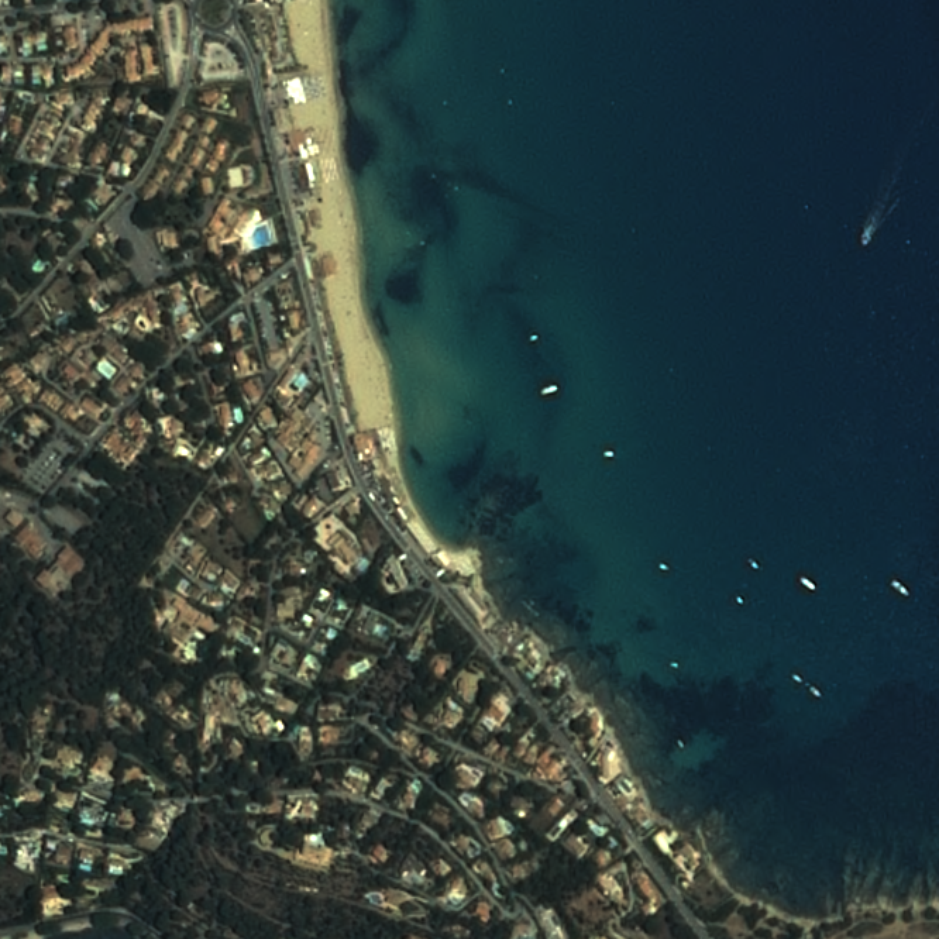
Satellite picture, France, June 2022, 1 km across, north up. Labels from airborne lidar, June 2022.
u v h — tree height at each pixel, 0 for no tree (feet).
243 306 0
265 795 66
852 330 0
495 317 0
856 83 0
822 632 0
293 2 0
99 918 34
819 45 0
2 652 21
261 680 20
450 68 0
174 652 34
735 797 0
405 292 0
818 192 0
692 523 0
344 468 0
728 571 0
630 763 0
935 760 0
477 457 0
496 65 0
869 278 0
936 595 0
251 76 0
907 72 0
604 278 0
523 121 0
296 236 0
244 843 38
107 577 26
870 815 0
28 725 29
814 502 0
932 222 0
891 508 0
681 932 44
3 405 0
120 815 56
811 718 0
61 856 0
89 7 31
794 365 0
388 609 18
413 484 0
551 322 0
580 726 53
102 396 33
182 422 40
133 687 47
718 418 0
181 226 32
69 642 26
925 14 0
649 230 0
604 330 0
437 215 0
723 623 0
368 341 0
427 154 0
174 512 45
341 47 0
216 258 59
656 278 0
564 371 0
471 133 0
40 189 34
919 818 0
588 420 0
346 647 45
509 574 0
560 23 0
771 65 0
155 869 23
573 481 0
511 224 0
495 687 36
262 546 30
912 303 0
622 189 0
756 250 0
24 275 38
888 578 0
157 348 42
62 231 28
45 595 21
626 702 0
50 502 39
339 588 36
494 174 0
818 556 0
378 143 0
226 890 58
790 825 0
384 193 0
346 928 32
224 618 46
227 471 28
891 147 0
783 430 0
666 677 0
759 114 0
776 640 0
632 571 0
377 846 36
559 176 0
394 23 0
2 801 48
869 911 0
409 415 0
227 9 0
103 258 44
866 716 0
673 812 0
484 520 0
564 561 0
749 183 0
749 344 0
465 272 0
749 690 0
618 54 0
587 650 0
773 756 0
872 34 0
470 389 0
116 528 49
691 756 0
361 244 0
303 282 0
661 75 0
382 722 37
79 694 41
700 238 0
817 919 0
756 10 0
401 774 22
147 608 46
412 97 0
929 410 0
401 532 0
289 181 0
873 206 0
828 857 0
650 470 0
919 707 0
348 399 0
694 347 0
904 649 0
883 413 0
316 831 41
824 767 0
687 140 0
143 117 37
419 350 0
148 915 31
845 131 0
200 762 33
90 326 35
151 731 44
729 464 0
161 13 0
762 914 0
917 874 0
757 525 0
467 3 0
